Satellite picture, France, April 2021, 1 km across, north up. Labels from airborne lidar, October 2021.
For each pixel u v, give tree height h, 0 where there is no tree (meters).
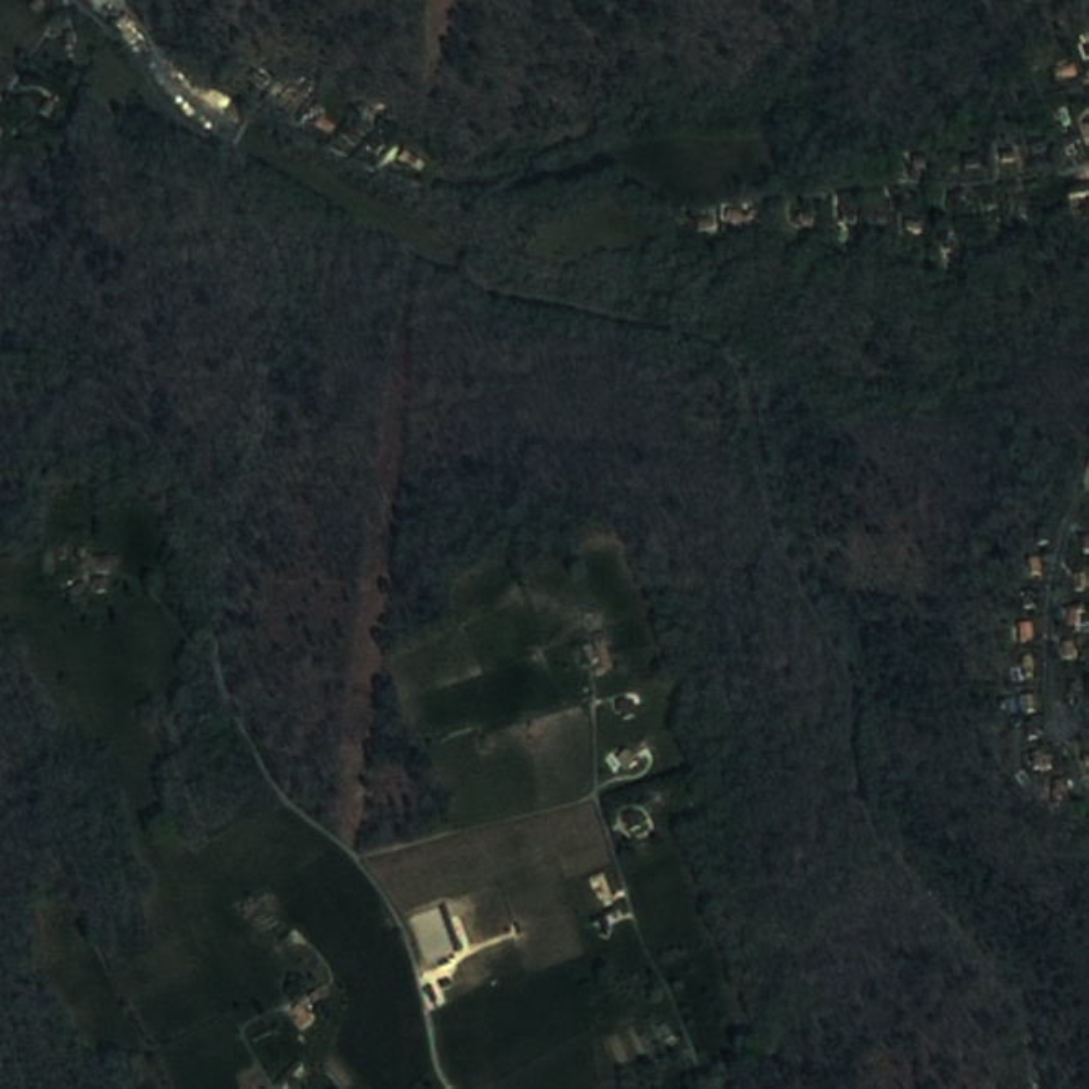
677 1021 0
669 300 13
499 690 0
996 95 18
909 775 21
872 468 13
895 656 19
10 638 15
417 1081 0
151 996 0
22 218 7
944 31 24
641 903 0
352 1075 0
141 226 19
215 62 7
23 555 17
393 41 20
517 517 24
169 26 21
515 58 18
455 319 20
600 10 23
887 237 15
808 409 21
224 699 19
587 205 15
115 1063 22
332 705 14
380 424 9
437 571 22
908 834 15
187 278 18
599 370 14
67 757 10
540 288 14
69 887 9
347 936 0
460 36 17
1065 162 15
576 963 0
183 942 0
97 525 9
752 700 17
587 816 0
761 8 17
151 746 0
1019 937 17
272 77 10
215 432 14
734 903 20
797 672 16
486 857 0
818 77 17
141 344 11
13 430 18
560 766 0
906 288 25
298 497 10
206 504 22
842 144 15
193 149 23
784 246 19
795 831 23
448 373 12
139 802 0
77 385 17
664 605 23
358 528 9
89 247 13
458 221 14
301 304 15
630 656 0
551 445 13
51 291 20
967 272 22
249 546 23
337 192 0
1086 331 16
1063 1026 16
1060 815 20
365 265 16
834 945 15
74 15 9
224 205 20
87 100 12
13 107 6
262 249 17
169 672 0
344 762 9
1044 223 16
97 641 0
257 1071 0
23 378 26
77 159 17
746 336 18
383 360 10
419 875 0
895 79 18
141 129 20
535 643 0
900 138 18
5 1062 23
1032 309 28
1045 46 21
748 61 14
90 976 0
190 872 0
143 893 20
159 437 24
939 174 9
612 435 13
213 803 17
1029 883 12
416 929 0
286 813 0
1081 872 19
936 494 7
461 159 10
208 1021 0
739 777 16
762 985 20
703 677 23
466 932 0
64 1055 24
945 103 24
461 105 13
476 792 0
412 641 18
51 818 24
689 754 17
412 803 11
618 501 18
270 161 0
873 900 24
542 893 0
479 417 11
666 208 17
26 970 26
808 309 20
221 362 9
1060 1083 21
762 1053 18
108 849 20
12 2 0
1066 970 16
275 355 17
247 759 16
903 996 14
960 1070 9
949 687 17
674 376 16
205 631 18
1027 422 21
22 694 16
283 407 15
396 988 0
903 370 24
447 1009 0
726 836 21
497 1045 0
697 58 15
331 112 0
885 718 22
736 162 0
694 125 17
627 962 0
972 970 18
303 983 11
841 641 18
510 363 18
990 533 21
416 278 15
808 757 24
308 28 10
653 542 25
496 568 14
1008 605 21
